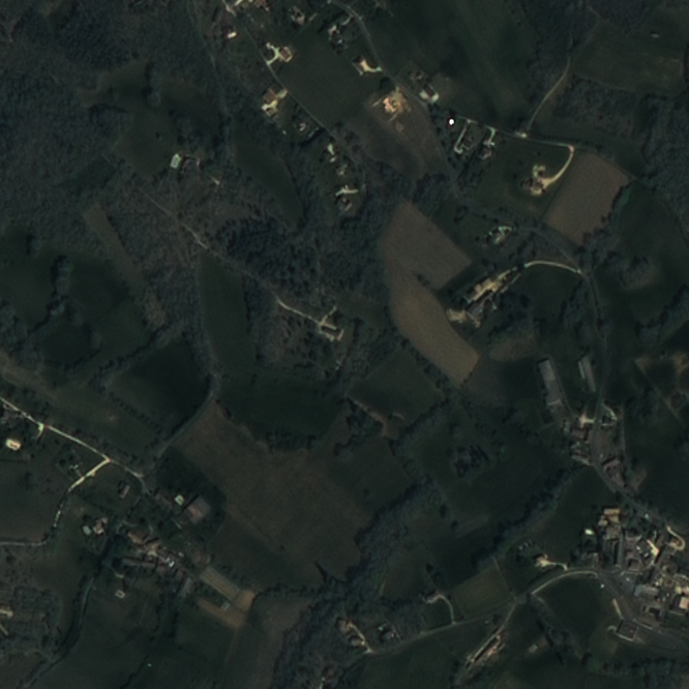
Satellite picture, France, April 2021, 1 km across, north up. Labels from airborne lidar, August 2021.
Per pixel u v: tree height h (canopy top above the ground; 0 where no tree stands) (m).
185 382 0
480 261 0
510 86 0
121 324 0
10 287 0
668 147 19
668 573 8
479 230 0
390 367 0
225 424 0
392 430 0
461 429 11
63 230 17
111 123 21
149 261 19
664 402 0
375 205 19
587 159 0
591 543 8
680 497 0
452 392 15
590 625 0
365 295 15
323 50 0
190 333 11
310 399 0
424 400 0
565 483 12
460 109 0
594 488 0
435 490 24
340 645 19
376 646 17
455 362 0
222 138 7
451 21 0
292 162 18
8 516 0
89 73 17
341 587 15
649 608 0
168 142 0
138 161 0
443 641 0
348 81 0
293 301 13
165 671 0
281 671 13
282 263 7
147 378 0
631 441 0
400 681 0
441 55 0
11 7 14
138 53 18
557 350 0
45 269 0
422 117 0
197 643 0
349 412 15
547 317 0
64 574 0
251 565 0
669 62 0
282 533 0
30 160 14
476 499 0
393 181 20
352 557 0
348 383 15
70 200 18
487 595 0
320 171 6
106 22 20
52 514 0
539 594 0
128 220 16
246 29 16
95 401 0
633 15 9
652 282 0
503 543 13
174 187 18
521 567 7
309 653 16
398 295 0
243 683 0
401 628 17
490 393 0
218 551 0
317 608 6
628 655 0
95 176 9
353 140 16
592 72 0
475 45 0
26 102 21
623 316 0
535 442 8
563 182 0
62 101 20
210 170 19
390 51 0
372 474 0
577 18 9
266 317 15
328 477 0
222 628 0
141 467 13
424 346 0
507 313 11
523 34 0
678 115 19
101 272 0
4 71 11
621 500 14
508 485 0
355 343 8
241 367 0
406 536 13
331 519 0
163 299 14
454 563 0
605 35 0
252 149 0
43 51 18
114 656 0
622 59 0
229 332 0
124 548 13
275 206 17
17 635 10
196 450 0
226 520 0
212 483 0
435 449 0
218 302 0
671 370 0
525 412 0
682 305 22
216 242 6
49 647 11
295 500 0
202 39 10
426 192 23
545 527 0
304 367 9
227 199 8
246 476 0
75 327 24
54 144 18
